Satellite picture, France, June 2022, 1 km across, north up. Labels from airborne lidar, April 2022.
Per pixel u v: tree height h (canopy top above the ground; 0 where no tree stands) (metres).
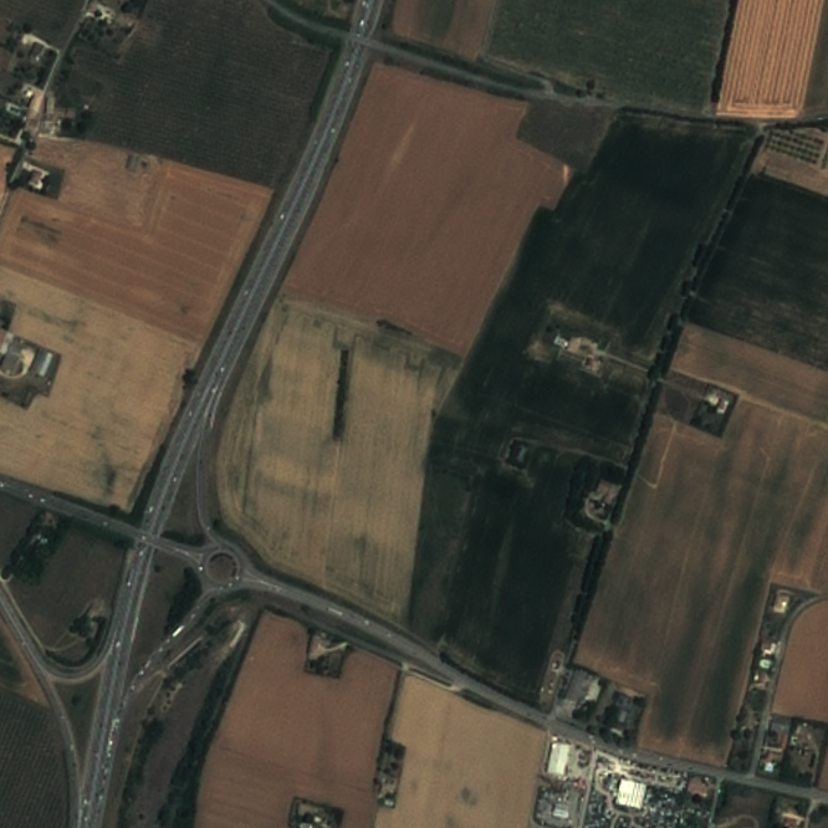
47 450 0
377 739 0
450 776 0
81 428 0
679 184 0
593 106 0
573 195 0
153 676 0
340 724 0
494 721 0
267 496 0
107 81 0
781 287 0
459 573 0
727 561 0
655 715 0
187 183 0
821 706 0
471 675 11
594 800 0
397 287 0
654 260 0
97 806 0
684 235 0
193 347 0
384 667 0
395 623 0
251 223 0
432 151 0
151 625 0
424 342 0
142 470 0
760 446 0
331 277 0
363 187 0
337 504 0
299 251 0
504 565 0
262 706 0
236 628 0
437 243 0
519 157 0
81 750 0
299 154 0
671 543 0
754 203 0
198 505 0
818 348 0
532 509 0
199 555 0
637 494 0
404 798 0
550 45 0
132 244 0
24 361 0
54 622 0
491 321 0
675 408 0
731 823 0
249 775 0
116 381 0
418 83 0
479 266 0
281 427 0
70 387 0
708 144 0
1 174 0
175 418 0
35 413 0
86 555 0
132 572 0
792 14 0
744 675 0
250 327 0
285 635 0
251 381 0
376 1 0
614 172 0
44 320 0
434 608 0
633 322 0
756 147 10
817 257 0
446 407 0
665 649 0
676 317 12
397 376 0
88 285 0
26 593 0
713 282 0
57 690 0
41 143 0
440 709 0
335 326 0
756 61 0
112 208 0
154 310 0
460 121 0
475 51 0
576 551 0
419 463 0
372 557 0
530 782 0
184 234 0
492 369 0
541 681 0
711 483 0
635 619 0
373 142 0
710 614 0
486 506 0
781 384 0
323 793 0
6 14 0
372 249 0
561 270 0
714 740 0
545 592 0
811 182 0
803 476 0
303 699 0
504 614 0
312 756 0
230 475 0
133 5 12
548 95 0
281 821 0
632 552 0
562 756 0
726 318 0
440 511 0
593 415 0
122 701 0
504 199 0
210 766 0
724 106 0
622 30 0
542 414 0
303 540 0
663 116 9
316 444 0
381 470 0
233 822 0
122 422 0
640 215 0
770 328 0
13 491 0
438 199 0
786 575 0
